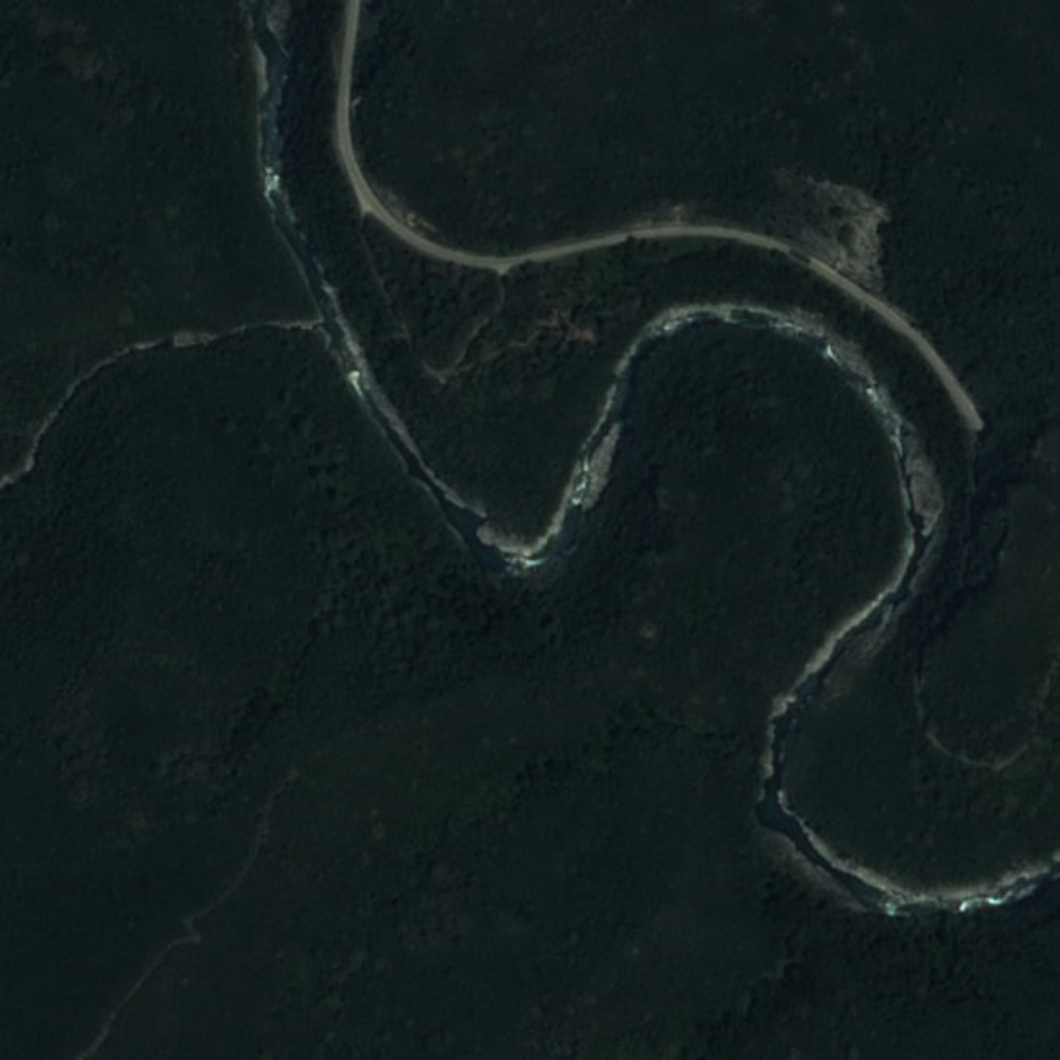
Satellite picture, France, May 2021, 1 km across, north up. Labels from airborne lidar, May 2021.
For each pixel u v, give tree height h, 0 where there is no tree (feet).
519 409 27
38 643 30
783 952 43
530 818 23
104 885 23
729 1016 59
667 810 32
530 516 18
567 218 45
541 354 50
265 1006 27
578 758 53
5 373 45
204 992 19
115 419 49
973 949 36
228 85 28
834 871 0
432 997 29
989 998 49
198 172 37
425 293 22
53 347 28
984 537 19
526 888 24
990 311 27
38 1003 21
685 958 20
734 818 28
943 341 33
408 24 20
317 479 87
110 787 31
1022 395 23
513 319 43
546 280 44
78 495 37
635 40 19
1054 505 31
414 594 41
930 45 18
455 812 27
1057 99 22
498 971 28
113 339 33
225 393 30
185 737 26
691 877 19
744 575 25
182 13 32
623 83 27
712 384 35
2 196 24
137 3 26
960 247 32
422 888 33
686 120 36
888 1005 24
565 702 24
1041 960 45
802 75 24
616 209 20
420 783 20
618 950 20
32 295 30
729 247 36
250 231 29
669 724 35
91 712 24
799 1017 35
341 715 25
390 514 41
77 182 24
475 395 32
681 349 18
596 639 37
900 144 30
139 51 17
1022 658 19
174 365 31
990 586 50
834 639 0
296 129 41
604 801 38
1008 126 20
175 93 33
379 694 30
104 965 21
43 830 22
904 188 34
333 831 25
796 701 0
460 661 36
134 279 40
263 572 37
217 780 43
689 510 30
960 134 22
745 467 28
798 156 20
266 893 19
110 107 30
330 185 28
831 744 23
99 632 28
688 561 18
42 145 29
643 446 25
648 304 55
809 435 32
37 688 23
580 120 21
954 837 22
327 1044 29
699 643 37
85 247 33
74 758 44
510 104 30
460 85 18
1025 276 30
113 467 33
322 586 41
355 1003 28
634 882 25
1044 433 47
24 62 40
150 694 28
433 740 20
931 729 39
